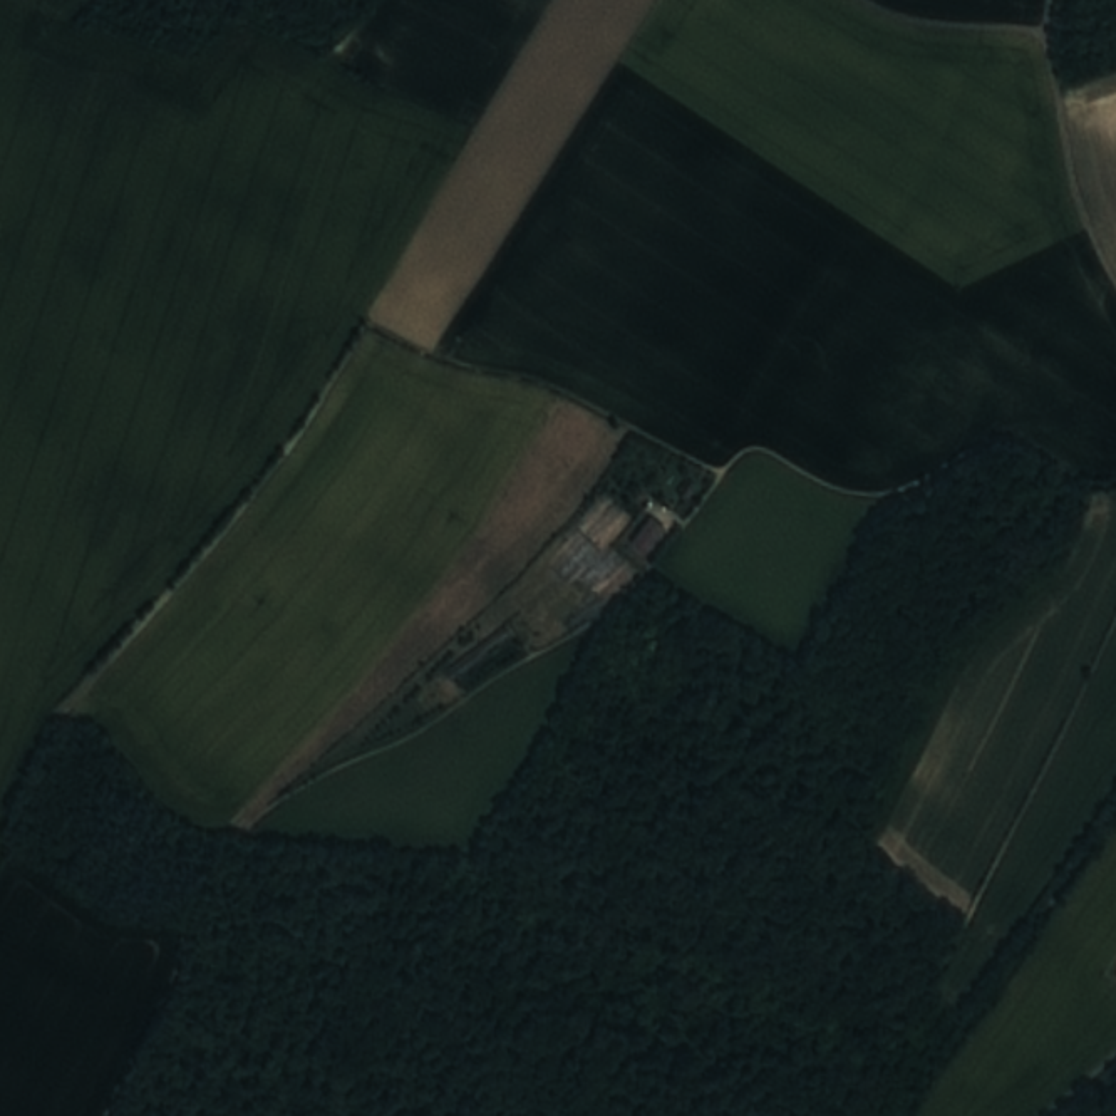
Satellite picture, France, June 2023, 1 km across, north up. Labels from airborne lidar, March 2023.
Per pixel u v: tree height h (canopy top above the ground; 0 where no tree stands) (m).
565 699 14
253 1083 19
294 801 0
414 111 0
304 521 0
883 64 0
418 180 0
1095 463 0
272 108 0
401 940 19
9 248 0
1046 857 0
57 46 0
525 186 0
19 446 0
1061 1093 0
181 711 0
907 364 0
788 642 0
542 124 0
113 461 0
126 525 0
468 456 0
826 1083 24
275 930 20
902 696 21
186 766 0
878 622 22
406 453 0
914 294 0
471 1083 21
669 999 11
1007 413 0
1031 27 0
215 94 0
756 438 0
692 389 0
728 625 17
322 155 0
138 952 0
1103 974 0
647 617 13
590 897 23
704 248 0
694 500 8
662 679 14
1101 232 0
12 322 0
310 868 13
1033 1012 0
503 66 0
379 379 0
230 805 0
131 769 9
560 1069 20
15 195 0
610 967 8
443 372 0
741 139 0
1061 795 0
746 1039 17
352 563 0
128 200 0
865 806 19
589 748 22
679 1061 27
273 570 0
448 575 0
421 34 0
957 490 21
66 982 0
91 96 0
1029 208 0
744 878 21
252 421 0
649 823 24
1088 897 0
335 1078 20
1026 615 0
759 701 24
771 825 20
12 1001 0
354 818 0
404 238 0
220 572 0
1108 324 0
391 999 25
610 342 0
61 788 19
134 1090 18
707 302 0
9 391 0
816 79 0
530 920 11
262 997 19
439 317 0
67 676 0
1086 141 0
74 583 0
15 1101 0
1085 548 0
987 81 0
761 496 0
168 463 0
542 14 0
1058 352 0
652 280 0
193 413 0
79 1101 0
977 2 0
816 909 20
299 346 0
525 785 15
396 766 0
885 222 0
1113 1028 0
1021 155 0
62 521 0
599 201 0
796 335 0
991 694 0
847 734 17
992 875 0
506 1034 19
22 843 15
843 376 0
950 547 25
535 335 0
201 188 0
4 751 0
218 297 0
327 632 0
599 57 0
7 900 0
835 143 0
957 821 0
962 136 0
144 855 18
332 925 22
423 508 0
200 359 0
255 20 7
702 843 23
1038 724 0
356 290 0
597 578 0
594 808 23
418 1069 21
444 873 18
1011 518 15
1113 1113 8
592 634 12
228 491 0
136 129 0
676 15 0
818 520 0
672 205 0
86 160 0
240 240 0
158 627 0
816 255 0
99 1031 0
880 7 0
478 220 0
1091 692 0
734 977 15
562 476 0
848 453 0
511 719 0
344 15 10
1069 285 0
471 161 0
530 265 0
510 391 0
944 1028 8
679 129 0
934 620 22
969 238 0
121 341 0
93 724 12
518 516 0
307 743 0
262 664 0
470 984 14
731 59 0
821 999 20
